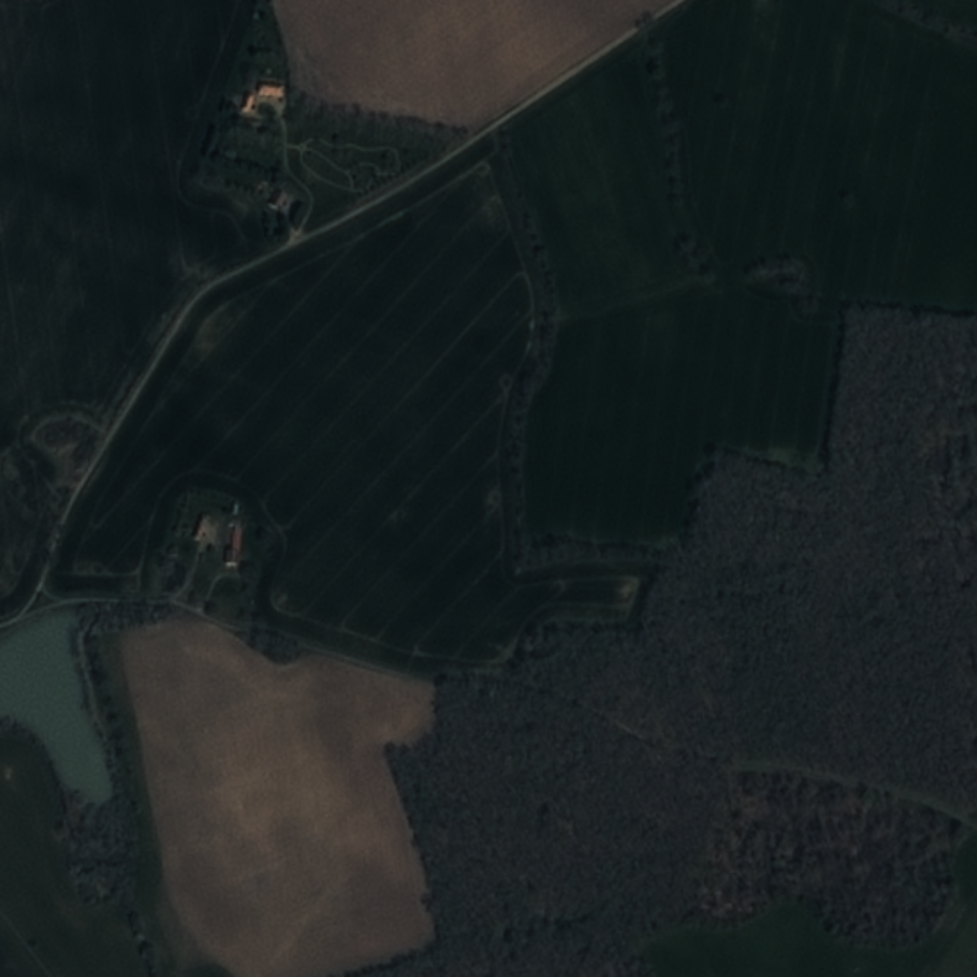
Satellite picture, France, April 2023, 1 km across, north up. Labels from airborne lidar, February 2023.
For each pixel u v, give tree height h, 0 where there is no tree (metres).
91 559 0
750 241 0
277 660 14
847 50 0
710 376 0
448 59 0
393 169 7
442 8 0
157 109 0
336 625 0
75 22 0
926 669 20
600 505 0
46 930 0
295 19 0
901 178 0
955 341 18
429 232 0
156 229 0
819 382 0
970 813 11
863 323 15
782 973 0
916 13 6
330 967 0
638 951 15
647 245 0
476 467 0
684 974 0
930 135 0
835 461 20
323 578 0
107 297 0
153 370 0
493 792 22
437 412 0
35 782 0
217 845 0
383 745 0
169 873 0
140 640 0
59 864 0
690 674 23
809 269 0
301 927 0
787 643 19
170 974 0
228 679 0
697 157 0
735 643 19
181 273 0
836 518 19
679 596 21
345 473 0
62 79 0
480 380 0
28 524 0
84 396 0
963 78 0
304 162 0
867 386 18
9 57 0
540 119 0
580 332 0
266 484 0
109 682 17
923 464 16
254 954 0
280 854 0
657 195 0
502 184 0
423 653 0
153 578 0
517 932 21
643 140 0
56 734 0
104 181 0
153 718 0
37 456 0
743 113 0
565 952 24
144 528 0
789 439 0
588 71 0
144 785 0
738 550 25
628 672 20
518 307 0
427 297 0
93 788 0
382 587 0
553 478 0
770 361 0
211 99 0
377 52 0
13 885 0
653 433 0
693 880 16
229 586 0
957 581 21
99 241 0
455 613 0
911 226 0
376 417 0
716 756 17
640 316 0
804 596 20
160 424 0
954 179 0
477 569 0
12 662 0
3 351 0
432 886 10
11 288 0
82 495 0
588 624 0
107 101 0
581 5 0
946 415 23
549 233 0
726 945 0
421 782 19
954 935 0
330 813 0
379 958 0
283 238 13
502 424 0
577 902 17
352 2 0
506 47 0
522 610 0
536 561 14
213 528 0
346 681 0
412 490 0
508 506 0
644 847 22
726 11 0
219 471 0
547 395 0
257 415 0
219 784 0
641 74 0
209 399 0
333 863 0
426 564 0
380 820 0
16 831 0
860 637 19
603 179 0
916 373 22
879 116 0
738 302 0
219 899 0
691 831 22
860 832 13
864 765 22
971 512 16
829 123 0
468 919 22
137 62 0
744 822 17
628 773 19
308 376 0
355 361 0
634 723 21
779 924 0
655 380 0
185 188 0
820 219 0
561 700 20
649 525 0
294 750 0
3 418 0
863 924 7
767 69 0
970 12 0
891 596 16
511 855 17
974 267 0
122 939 0
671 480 0
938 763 25
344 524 0
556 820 20
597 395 0
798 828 10
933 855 17
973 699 20
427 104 0
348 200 7
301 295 0
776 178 0
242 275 0
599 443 0
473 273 0
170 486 0
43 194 0
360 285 0
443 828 20
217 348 0
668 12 0
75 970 0
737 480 19
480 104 0
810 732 21
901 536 18
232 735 0
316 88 0
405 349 0
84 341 0
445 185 0
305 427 0
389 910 0
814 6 0
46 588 0
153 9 0
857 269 0
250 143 14
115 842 10
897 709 21
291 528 0
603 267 0
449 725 19
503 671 0
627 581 0
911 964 0
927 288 0
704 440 0
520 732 11
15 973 0
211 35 0
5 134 0
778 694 19
